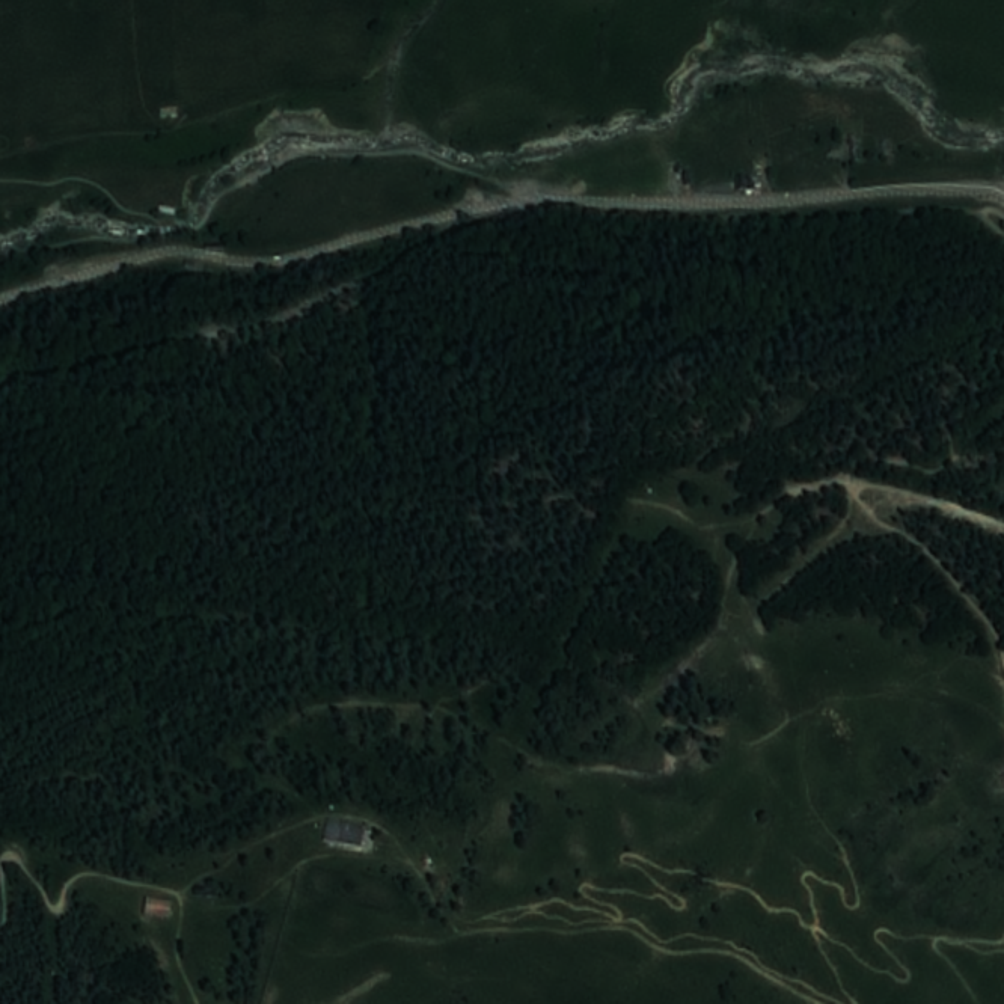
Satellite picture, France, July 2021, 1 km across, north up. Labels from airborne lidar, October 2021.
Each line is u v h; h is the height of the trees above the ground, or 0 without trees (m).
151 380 16
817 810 0
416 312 27
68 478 21
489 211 0
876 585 20
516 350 25
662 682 0
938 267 23
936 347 9
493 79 0
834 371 7
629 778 0
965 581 27
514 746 0
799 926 0
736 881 0
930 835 0
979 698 0
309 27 0
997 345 24
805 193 0
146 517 26
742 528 0
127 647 11
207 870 0
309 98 0
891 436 19
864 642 0
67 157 0
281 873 0
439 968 0
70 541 22
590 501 18
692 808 0
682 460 14
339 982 0
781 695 0
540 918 0
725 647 0
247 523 20
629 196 0
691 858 0
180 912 0
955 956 0
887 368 11
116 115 0
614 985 0
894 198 0
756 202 0
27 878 0
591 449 20
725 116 0
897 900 0
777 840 0
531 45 0
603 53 0
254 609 18
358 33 0
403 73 0
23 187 0
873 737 0
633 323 21
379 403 20
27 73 0
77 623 17
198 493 22
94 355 6
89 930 13
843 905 0
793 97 0
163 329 16
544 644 20
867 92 0
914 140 0
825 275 17
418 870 0
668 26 0
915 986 0
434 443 20
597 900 0
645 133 0
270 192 0
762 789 0
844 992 0
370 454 12
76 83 0
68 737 9
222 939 0
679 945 0
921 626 9
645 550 21
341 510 22
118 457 19
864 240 20
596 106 0
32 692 9
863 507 0
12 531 27
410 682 28
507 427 12
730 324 18
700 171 0
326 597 17
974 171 0
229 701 27
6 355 23
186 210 9
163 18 0
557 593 20
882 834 0
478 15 0
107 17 0
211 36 0
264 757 31
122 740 6
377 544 21
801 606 17
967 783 0
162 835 14
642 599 23
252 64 0
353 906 0
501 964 0
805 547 17
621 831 0
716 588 16
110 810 19
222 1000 11
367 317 11
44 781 6
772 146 0
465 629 22
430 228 12
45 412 21
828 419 24
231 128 0
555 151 0
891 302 21
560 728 24
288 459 24
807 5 0
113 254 0
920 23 0
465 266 17
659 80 0
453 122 0
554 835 0
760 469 14
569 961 0
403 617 21
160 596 20
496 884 0
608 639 18
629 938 0
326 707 0
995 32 0
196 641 13
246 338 19
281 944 0
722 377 20
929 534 25
